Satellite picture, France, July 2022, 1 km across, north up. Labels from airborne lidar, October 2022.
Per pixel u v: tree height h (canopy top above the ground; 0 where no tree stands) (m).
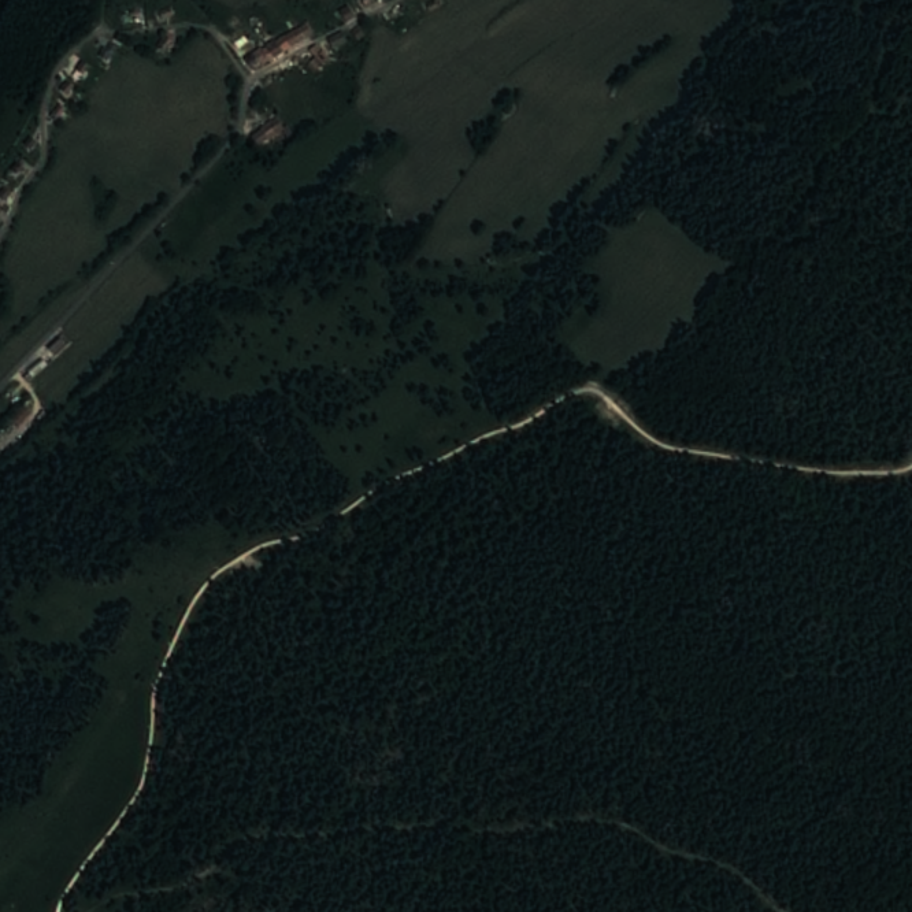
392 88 0
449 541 9
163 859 7
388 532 25
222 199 0
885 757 16
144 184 0
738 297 27
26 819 0
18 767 9
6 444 0
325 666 21
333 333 0
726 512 14
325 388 9
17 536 18
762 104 20
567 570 17
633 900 23
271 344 0
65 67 0
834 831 18
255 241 19
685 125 28
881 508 9
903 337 21
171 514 16
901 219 22
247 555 0
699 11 0
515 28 0
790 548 16
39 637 0
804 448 24
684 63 0
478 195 0
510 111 8
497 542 22
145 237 0
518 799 16
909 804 24
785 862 23
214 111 0
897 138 19
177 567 0
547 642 10
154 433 17
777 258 28
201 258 0
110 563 16
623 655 19
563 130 0
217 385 0
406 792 15
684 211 27
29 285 0
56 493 21
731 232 20
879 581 23
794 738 15
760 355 22
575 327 0
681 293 0
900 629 26
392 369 11
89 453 7
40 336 0
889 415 16
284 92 0
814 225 16
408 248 23
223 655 16
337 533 24
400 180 0
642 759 18
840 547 16
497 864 20
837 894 17
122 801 0
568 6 0
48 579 24
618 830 10
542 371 11
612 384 18
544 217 0
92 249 0
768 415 26
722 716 15
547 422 8
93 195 0
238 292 13
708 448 24
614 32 0
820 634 22
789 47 25
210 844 17
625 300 0
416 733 23
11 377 0
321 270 20
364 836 28
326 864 11
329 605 36
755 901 20
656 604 17
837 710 17
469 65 0
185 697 21
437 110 0
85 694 22
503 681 15
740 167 26
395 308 6
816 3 22
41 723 22
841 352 19
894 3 26
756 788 18
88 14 14
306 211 24
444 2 0
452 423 0
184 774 18
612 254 0
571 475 26
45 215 0
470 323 0
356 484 0
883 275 18
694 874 14
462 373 0
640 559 17
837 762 16
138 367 18
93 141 0
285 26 0
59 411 13
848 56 27
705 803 13
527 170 0
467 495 30
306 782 16
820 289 18
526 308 17
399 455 0
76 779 0
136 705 0
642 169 17
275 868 25
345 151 0
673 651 15
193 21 0
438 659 20
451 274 0
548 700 21
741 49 20
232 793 26
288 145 14
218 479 22
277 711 19
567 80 0
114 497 7
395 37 0
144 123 0
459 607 28
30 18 22
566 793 19
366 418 12
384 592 20
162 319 8
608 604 17
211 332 12
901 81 23
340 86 0
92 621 0
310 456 21
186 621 0
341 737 8
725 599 27
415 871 22
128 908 7
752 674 29
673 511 25
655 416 19
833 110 19
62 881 0
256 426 23
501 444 7
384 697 24
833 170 28
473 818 29
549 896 15
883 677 30
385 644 19
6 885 0
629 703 17
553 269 24
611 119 0
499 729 26
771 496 12
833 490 15
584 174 0
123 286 0
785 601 27
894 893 18
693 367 25
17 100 10
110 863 24
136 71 0
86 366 0
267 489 15
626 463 28
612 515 23
